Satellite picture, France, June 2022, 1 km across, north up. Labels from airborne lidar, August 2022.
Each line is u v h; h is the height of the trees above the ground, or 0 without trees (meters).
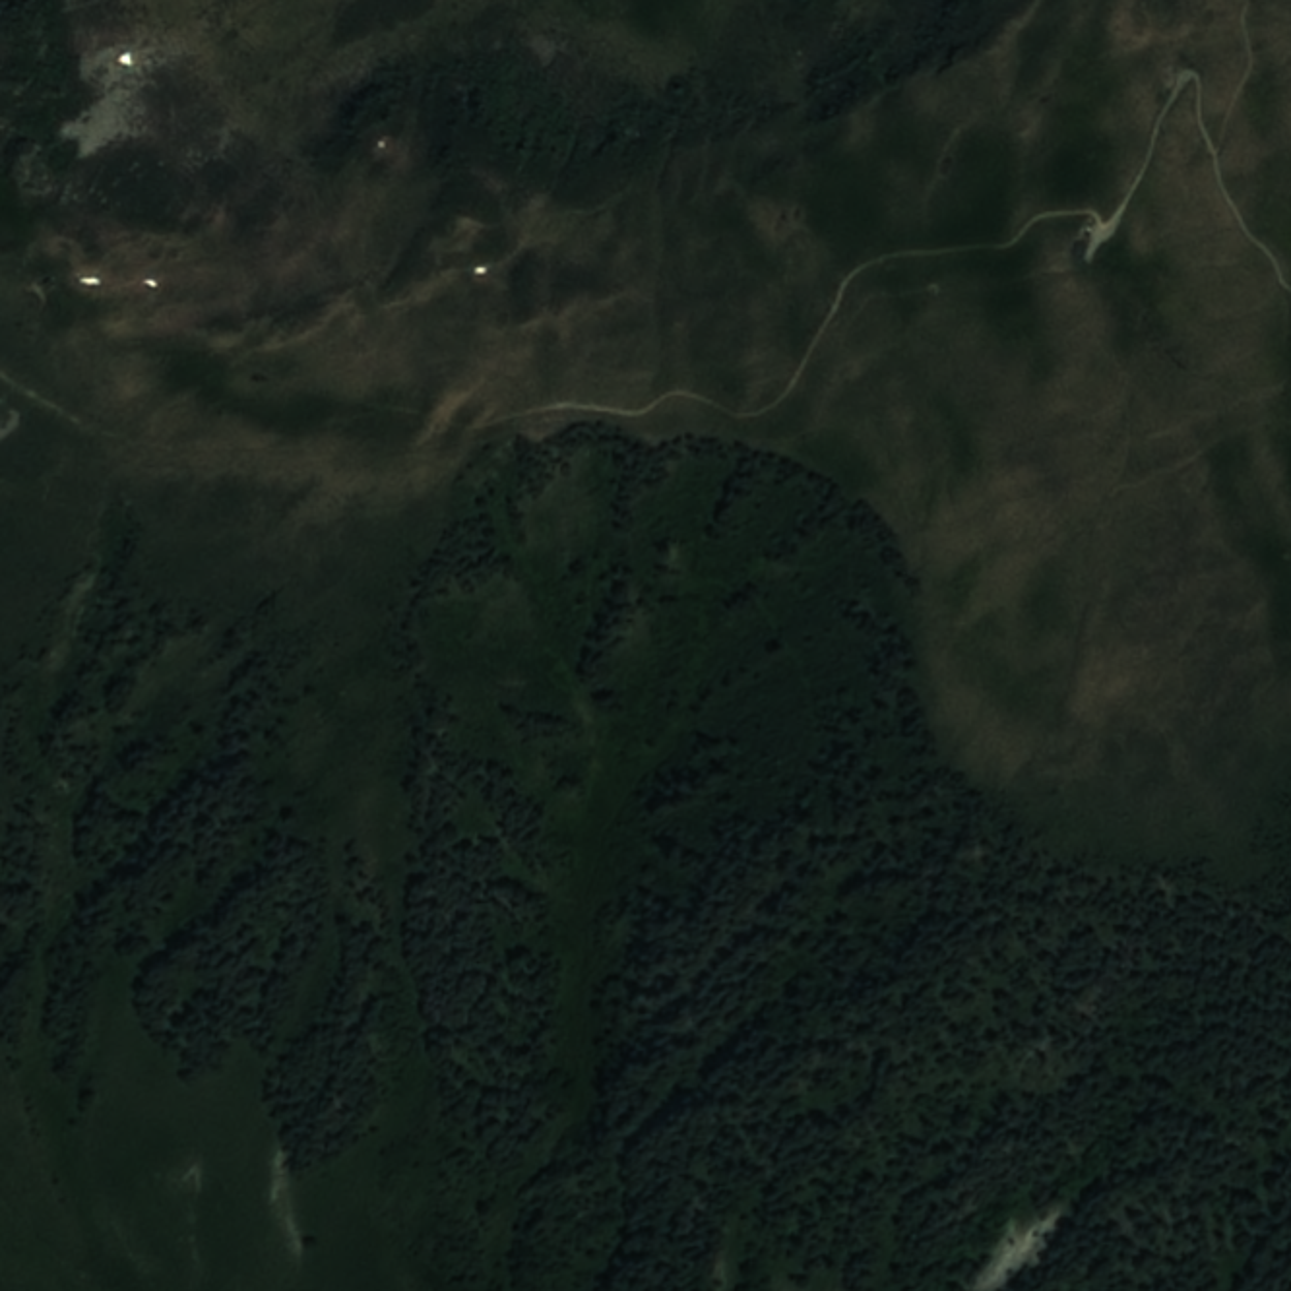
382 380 0
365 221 0
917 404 0
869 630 18
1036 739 0
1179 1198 16
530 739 22
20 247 0
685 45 0
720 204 0
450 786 26
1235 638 0
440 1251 13
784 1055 13
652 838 6
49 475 0
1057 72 0
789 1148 27
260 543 0
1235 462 0
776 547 7
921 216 0
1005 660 0
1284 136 0
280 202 0
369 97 7
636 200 0
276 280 0
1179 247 0
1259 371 0
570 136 6
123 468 0
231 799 20
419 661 14
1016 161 0
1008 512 0
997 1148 22
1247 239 0
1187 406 0
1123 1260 15
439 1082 8
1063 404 0
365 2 0
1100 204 0
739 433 0
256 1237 0
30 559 0
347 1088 21
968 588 0
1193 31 0
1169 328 0
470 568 22
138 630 6
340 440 0
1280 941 20
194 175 0
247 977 27
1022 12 0
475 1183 13
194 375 0
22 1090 0
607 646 20
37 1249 0
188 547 0
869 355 0
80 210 0
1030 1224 0
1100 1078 26
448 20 0
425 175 0
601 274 0
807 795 9
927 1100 12
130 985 0
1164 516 0
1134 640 0
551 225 0
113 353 0
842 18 0
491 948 36
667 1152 27
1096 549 0
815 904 16
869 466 0
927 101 0
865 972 8
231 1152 0
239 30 0
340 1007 18
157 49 0
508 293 0
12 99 0
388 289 0
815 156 0
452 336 0
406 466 0
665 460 16
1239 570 0
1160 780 0
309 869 22
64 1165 0
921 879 21
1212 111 0
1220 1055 24
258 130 0
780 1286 0
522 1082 19
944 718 0
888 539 19
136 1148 0
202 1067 29
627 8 0
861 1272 29
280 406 0
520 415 0
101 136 0
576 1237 7
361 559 0
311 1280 0
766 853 23
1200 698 0
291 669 10
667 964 32
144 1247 0
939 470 0
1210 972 23
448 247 0
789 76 0
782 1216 28
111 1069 0
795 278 0
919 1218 9
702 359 0
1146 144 0
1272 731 0
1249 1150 9
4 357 0
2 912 24
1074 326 0
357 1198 0
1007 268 0
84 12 0
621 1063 11
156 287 0
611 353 0
